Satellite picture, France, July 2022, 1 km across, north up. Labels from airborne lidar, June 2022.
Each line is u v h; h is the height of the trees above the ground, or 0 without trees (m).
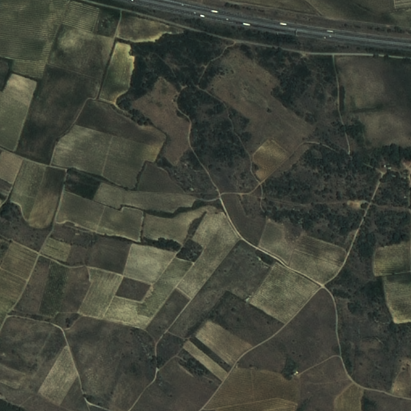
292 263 0
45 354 0
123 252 0
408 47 0
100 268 0
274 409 0
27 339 0
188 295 0
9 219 7
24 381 0
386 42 0
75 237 0
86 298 0
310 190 8
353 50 0
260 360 0
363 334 0
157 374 0
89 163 0
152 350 0
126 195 0
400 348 0
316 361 0
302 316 0
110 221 0
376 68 0
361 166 13
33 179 0
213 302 0
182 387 0
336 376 0
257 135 0
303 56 0
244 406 0
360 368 0
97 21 0
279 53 11
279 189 7
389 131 0
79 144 0
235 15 0
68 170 9
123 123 0
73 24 0
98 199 0
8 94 0
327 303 0
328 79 6
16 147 0
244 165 0
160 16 0
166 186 0
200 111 0
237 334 0
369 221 7
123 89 0
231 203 0
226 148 9
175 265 0
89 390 0
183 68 0
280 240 0
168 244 9
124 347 0
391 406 0
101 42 0
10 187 0
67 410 0
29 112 0
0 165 0
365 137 0
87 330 0
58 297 0
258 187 0
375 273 0
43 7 0
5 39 0
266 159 0
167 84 0
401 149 14
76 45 0
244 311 0
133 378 0
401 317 0
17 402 0
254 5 0
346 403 0
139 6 0
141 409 0
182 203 0
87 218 0
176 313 0
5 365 0
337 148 6
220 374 0
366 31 0
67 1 0
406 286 0
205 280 0
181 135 0
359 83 0
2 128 0
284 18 0
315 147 8
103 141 0
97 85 0
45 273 0
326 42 0
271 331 0
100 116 0
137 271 0
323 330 0
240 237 0
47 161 0
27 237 0
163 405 0
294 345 0
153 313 0
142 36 0
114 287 0
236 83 0
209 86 0
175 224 0
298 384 0
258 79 0
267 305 0
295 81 7
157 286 0
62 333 0
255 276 0
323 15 0
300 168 0
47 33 0
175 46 0
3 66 0
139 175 9
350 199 7
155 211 6
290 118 0
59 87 0
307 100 0
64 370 0
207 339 0
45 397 0
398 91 0
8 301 0
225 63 0
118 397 0
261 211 0
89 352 0
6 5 0
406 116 0
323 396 0
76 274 0
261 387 0
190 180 0
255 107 0
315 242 0
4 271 0
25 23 0
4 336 0
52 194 0
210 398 0
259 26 0
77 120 0
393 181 6
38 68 0
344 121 0
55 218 0
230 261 0
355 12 0
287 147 0
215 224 0
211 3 0
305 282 0
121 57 0
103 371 0
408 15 0
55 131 0
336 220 9
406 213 6
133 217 0
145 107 0
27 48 0
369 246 7
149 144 0
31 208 0
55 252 0
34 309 0
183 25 0
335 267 0
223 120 0
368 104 0
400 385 0
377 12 0
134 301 0
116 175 0
